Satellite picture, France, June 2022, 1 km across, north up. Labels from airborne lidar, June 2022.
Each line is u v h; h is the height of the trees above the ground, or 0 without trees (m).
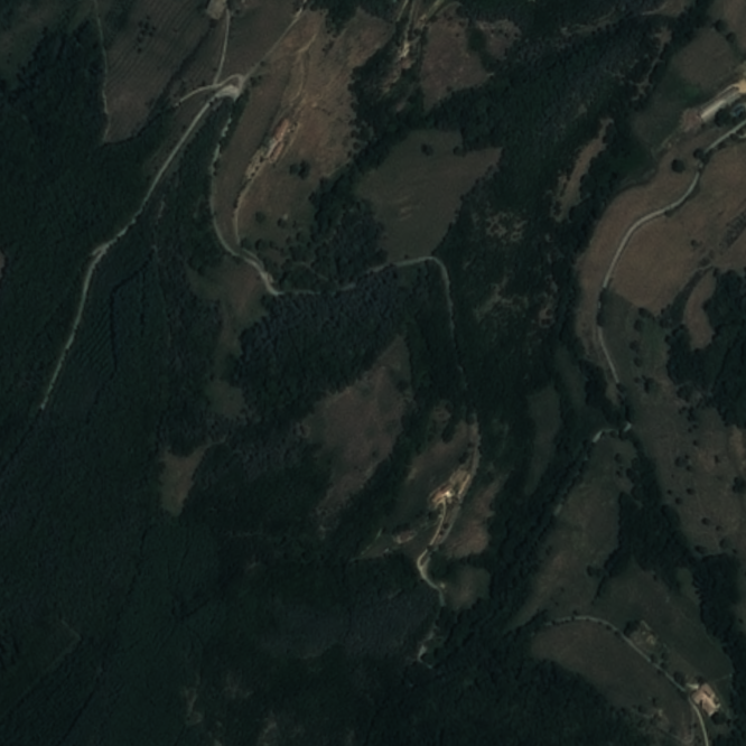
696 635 0
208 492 14
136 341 21
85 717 17
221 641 11
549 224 15
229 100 8
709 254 0
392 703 22
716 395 6
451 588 0
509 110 18
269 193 0
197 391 8
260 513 13
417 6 0
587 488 0
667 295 0
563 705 17
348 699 19
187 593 20
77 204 18
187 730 11
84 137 17
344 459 0
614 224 0
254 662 11
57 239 14
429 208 0
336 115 0
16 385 14
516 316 6
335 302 21
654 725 7
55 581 16
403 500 0
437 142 0
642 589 0
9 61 6
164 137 12
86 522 16
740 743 11
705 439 0
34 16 0
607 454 0
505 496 9
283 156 0
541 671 20
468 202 6
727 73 0
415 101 11
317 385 17
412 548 0
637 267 0
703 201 0
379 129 16
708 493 0
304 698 15
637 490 13
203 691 8
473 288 8
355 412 0
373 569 20
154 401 13
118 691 9
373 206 11
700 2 16
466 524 0
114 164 19
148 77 0
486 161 0
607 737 13
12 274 14
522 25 14
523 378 10
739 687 20
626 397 14
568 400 11
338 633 11
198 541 16
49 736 7
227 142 12
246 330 6
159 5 0
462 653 16
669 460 0
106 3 0
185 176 9
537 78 17
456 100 14
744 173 0
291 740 7
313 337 18
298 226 12
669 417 0
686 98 0
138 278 18
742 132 6
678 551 18
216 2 0
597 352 0
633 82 15
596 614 0
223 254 6
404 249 0
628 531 11
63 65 19
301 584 7
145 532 11
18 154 15
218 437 13
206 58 0
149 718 19
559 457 10
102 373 6
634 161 0
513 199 9
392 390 0
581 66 15
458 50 0
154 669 18
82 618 14
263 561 16
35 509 15
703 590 21
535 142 12
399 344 0
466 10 7
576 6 12
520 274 12
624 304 0
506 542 17
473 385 14
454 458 0
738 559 9
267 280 0
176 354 17
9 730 14
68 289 16
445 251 11
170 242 11
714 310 7
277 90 0
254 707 13
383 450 0
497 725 17
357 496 6
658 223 0
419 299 11
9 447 17
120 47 0
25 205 17
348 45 0
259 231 0
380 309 16
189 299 9
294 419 15
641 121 0
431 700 16
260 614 16
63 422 15
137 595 19
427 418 16
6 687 7
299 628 11
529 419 7
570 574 0
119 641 14
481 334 7
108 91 0
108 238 16
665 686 0
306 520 9
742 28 0
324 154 0
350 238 7
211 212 8
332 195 21
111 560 16
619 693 0
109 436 20
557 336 10
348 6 17
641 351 10
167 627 18
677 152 0
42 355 17
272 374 19
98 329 9
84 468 18
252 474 19
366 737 9
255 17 0
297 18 0
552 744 18
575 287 10
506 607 11
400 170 0
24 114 25
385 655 10
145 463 12
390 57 9
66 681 9
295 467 12
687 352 11
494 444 11
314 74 0
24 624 19
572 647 0
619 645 0
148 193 12
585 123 9
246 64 0
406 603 10
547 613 10
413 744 9
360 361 11
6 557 11
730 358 10
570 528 0
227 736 8
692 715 0
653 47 14
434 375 12
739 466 0
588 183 20
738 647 25
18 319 13
